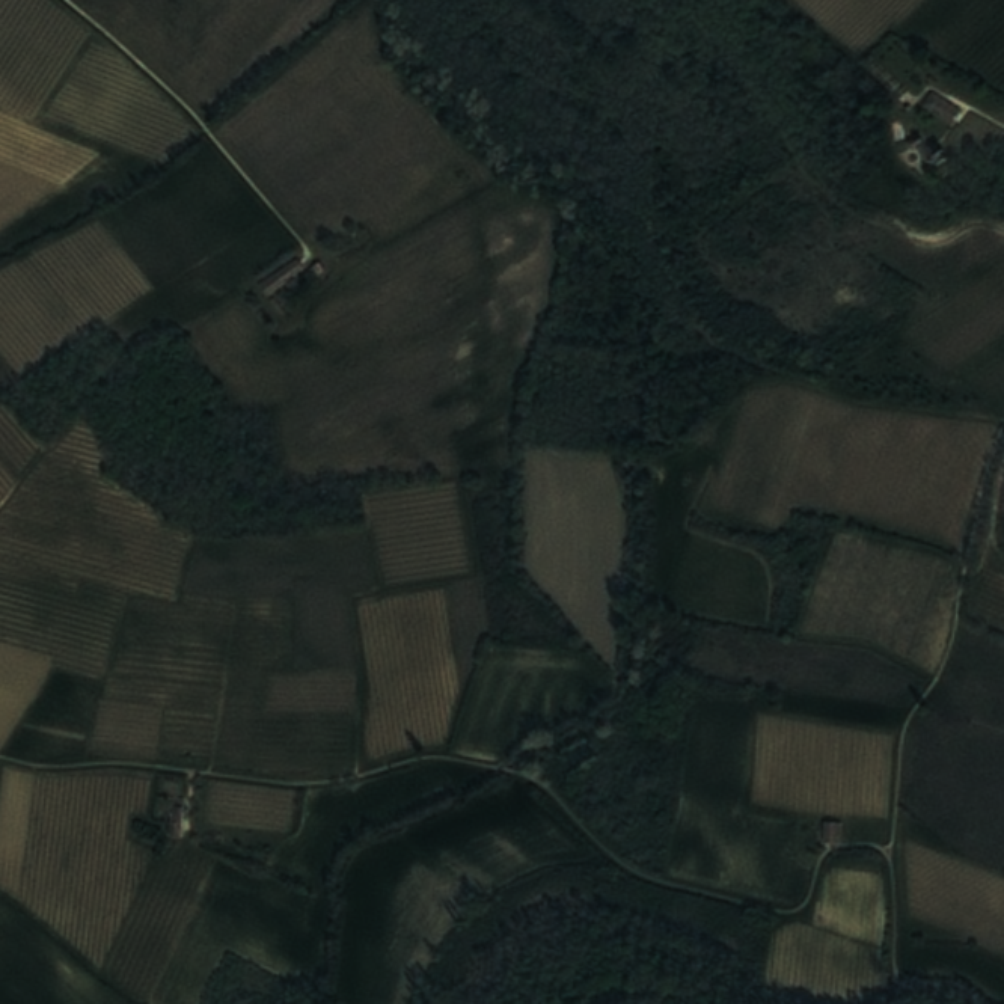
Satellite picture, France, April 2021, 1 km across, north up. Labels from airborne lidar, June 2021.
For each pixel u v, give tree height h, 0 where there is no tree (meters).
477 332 0
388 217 0
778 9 24
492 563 9
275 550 0
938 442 0
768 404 0
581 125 14
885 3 0
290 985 13
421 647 0
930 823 0
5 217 0
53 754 0
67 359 12
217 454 24
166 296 0
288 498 25
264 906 0
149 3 0
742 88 21
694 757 0
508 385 0
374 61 0
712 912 9
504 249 0
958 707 0
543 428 17
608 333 17
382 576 0
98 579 0
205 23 0
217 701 0
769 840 0
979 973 0
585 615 0
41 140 0
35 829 0
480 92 30
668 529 0
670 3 21
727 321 18
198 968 0
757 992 17
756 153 13
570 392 19
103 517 0
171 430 22
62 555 0
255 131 0
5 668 0
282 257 8
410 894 0
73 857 0
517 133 23
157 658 0
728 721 0
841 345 9
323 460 0
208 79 0
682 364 8
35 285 0
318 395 0
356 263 0
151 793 0
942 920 0
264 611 0
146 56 0
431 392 0
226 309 0
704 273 12
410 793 0
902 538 8
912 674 0
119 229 0
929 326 0
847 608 0
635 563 13
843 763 0
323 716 0
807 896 0
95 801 0
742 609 0
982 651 0
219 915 0
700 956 21
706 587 0
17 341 0
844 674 0
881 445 0
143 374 19
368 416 0
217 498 15
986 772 0
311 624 0
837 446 0
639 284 18
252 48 0
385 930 0
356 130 0
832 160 18
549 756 12
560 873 7
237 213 0
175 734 0
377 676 0
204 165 0
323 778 0
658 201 18
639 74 23
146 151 0
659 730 16
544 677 0
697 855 0
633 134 20
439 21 22
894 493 0
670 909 12
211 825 0
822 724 0
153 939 0
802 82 18
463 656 0
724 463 0
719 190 7
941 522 0
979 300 0
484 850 0
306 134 0
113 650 0
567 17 24
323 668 0
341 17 9
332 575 0
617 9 19
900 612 0
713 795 0
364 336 0
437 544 0
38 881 0
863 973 0
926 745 0
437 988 19
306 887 18
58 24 0
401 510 0
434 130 0
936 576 0
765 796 0
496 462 0
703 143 24
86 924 0
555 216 0
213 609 0
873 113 18
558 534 0
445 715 0
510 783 14
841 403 0
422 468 0
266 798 0
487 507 5
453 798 17
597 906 7
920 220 9
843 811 0
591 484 0
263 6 0
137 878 0
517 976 19
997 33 0
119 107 0
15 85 0
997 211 17
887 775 0
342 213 0
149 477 16
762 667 0
